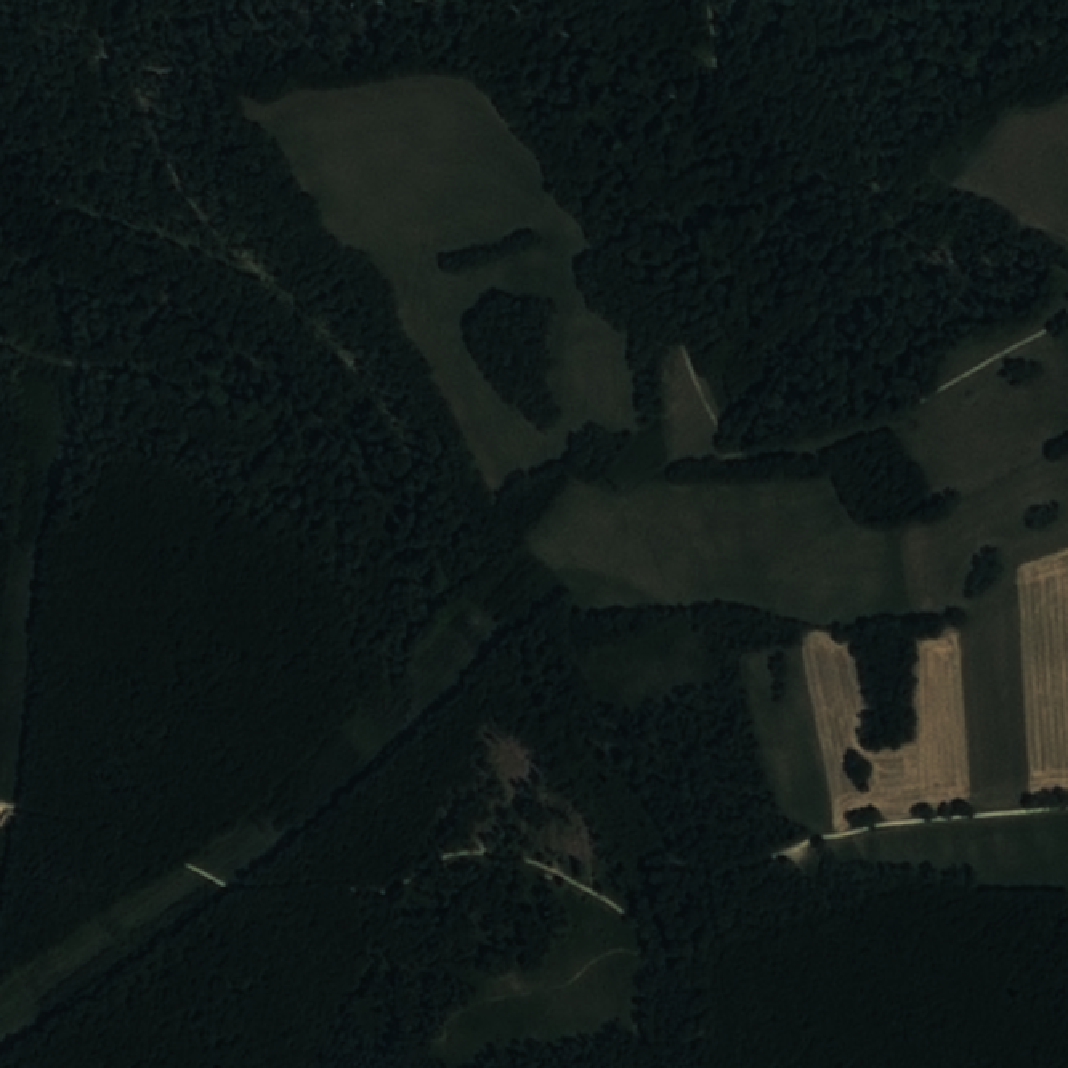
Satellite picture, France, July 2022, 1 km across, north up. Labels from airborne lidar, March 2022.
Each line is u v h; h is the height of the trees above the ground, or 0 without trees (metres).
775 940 15
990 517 0
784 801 0
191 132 22
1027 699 0
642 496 0
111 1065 16
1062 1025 12
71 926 15
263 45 30
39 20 23
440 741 19
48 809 14
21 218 15
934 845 0
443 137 0
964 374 0
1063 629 0
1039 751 0
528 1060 16
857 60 26
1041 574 0
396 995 21
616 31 32
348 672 13
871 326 38
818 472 14
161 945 14
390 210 0
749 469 16
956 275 0
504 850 18
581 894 0
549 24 31
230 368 22
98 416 24
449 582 21
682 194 34
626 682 0
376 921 16
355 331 22
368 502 33
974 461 0
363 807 20
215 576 13
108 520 10
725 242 28
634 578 0
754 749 14
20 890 13
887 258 36
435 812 16
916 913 11
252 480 37
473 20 29
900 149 14
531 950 22
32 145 29
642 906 32
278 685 16
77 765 18
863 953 13
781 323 34
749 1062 12
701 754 18
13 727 0
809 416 31
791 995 11
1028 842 0
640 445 0
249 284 17
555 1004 0
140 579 13
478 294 0
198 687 14
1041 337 0
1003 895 14
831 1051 10
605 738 25
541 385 18
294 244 15
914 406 16
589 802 21
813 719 0
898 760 0
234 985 18
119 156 20
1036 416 0
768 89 28
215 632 14
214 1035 15
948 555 0
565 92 37
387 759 15
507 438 0
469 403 0
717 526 0
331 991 19
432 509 31
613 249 27
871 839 0
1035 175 0
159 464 9
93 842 19
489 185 0
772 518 0
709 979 20
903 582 0
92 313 30
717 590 0
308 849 19
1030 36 27
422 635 18
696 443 0
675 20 20
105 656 13
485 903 22
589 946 0
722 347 31
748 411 31
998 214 16
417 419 25
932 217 27
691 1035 26
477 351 13
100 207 22
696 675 0
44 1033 18
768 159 31
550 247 0
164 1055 10
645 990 21
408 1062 25
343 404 29
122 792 21
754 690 0
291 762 15
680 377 0
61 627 16
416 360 16
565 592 17
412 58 27
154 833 14
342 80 15
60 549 15
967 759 0
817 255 37
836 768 0
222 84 20
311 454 28
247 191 24
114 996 18
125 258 29
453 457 24
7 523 26
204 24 25
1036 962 12
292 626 9
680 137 36
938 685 0
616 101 32
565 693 22
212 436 26
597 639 19
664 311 21
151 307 33
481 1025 0
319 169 0
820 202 31
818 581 0
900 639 17
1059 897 15
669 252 30
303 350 25
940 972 12
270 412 35
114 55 21
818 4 26
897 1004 12
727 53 22
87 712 18
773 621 11
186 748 18
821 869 8
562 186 18
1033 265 28
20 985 0
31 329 22
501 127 0
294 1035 17
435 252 0
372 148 0
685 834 26
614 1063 19
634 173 33
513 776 23
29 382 5
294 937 17
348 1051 22
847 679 0
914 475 17
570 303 0
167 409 25
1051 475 0
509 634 17
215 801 18
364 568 23
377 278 14
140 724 21
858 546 0
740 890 23
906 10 28
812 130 23
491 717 19
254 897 18
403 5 30
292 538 12
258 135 19
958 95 26
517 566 6
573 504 0
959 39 29
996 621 0
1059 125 0
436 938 20
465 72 19
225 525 16
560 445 0
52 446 0
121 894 16
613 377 0
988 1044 12
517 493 14
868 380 36
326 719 16
